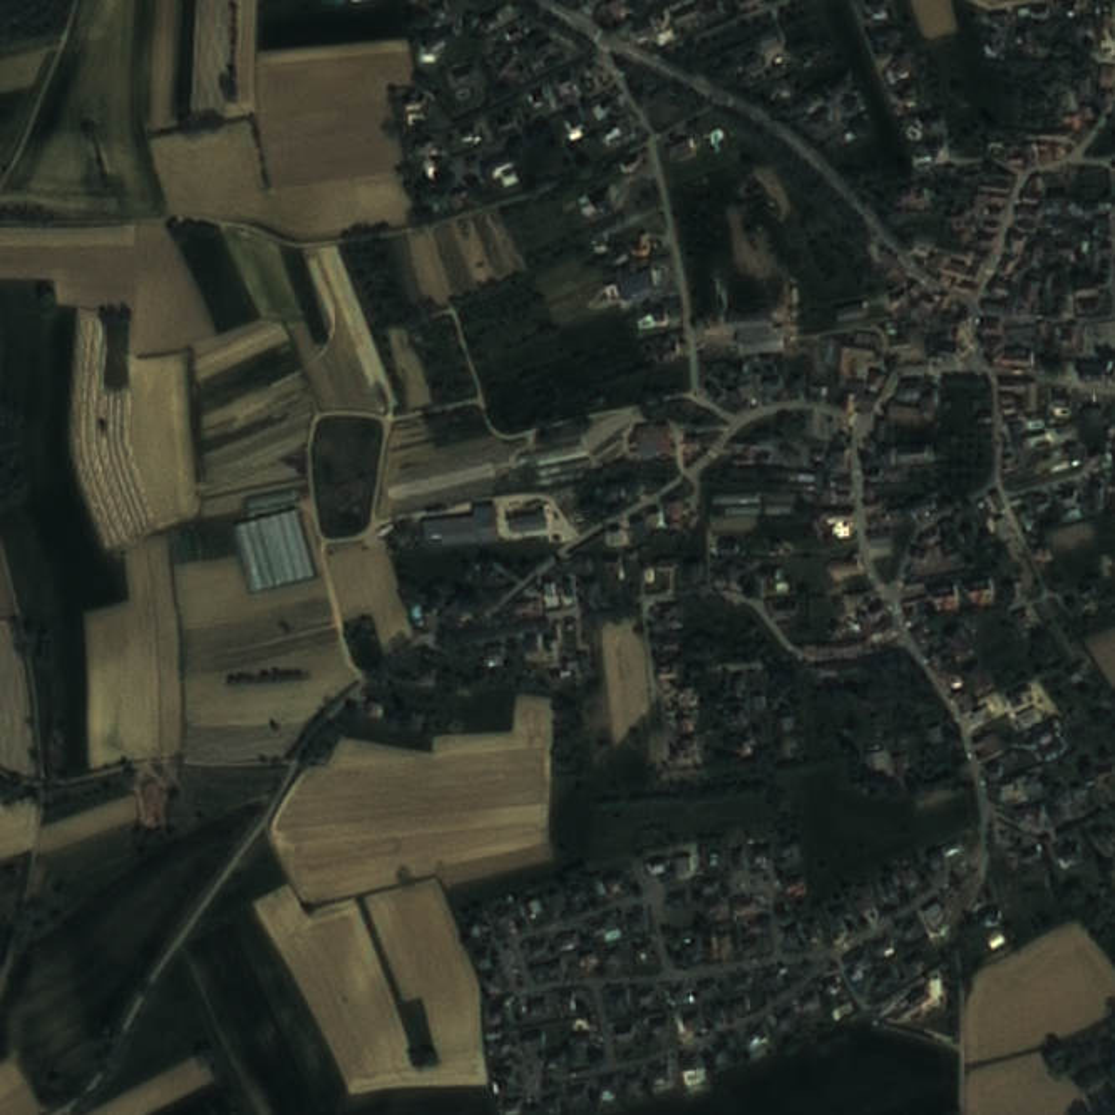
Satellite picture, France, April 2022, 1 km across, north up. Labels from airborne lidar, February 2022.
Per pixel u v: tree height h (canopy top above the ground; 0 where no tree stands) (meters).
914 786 16
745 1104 0
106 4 0
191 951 0
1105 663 0
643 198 10
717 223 0
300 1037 0
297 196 0
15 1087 0
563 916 6
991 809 0
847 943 0
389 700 0
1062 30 0
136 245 0
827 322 0
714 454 0
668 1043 0
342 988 0
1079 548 0
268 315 0
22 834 0
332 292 0
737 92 20
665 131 0
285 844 0
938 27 0
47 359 0
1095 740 0
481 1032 0
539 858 0
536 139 15
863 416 0
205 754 0
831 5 0
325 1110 0
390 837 0
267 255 0
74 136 0
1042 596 0
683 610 18
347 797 0
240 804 0
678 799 8
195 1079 0
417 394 0
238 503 0
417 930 0
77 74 0
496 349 0
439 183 14
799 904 6
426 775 0
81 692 0
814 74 0
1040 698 0
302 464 0
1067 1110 0
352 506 0
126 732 0
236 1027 0
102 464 0
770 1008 0
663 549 0
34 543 0
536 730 0
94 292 0
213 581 0
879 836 0
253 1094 0
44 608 0
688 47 9
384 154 0
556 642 0
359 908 0
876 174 13
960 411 0
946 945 12
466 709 0
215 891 0
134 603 0
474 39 8
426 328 15
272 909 0
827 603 0
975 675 0
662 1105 0
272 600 0
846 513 0
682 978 0
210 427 0
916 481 6
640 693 0
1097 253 0
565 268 0
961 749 8
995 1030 0
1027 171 0
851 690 9
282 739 0
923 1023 0
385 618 0
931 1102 0
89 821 0
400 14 0
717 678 0
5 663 0
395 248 0
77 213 0
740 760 10
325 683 0
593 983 0
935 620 16
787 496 0
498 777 0
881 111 0
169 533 0
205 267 0
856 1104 0
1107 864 18
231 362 0
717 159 0
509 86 11
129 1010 0
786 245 0
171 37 0
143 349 0
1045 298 7
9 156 0
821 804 0
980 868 0
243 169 0
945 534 9
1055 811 10
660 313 0
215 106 0
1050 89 7
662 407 13
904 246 11
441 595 7
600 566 0
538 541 0
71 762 0
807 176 14
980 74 0
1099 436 0
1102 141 0
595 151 0
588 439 0
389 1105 0
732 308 7
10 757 0
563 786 0
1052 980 0
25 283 0
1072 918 14
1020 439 0
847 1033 13
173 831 8
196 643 0
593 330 0
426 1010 0
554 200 6
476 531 0
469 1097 0
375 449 0
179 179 0
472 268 0
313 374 0
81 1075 0
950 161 0
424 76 12
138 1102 0
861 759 17
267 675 7
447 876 0
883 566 6
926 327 10
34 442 0
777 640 0
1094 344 0
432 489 0
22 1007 0
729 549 0
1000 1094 0
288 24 0
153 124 0
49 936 0
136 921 0
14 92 0
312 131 0
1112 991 0
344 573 0
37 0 20
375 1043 0
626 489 14
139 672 0
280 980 0
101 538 0
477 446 0
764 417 0
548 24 17
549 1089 11
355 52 0
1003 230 0
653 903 0
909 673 22
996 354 0
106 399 0
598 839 0
